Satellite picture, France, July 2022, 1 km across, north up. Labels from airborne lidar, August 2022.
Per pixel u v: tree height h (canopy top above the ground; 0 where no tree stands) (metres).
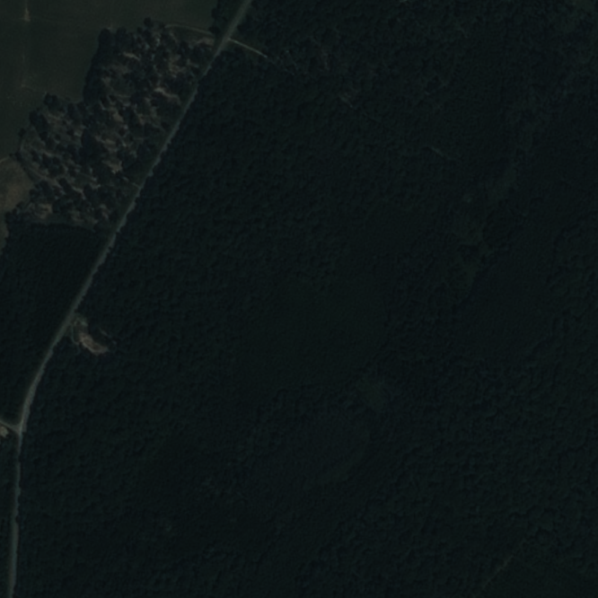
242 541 13
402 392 19
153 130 23
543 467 25
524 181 24
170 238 20
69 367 21
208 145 25
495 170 20
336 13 22
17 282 21
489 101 14
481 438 21
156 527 20
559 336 23
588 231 27
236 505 18
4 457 14
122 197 23
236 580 17
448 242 21
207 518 17
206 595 23
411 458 24
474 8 23
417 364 11
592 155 19
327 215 18
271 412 18
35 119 21
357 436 35
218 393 19
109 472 25
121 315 20
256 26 17
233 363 17
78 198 24
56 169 24
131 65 23
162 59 22
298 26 23
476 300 20
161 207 23
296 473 34
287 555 15
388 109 18
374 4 27
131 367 22
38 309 10
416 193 15
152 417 20
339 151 16
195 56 23
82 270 12
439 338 16
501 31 14
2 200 0
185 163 24
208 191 22
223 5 14
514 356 16
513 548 16
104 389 28
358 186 20
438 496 27
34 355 12
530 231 18
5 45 0
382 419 18
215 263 25
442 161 18
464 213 35
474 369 11
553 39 22
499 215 7
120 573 22
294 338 11
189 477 14
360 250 12
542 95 32
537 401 22
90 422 29
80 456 18
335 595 26
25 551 17
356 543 13
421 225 15
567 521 22
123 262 20
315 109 16
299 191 22
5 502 18
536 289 13
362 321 11
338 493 17
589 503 22
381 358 14
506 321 17
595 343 26
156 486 13
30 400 0
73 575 23
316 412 32
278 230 25
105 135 22
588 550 25
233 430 21
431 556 23
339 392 13
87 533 30
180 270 22
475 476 25
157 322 28
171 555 12
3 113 0
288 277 17
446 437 22
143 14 0
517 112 35
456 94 12
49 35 0
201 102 20
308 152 20
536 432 18
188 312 16
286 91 25
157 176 22
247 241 19
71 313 0
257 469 33
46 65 0
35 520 25
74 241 12
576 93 31
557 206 16
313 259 24
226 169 23
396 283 16
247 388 12
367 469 19
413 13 20
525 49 32
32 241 12
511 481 22
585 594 8
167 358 23
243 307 21
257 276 20
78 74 0
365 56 24
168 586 24
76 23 0
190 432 17
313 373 10
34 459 13
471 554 21
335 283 10
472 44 13
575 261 19
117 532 26
